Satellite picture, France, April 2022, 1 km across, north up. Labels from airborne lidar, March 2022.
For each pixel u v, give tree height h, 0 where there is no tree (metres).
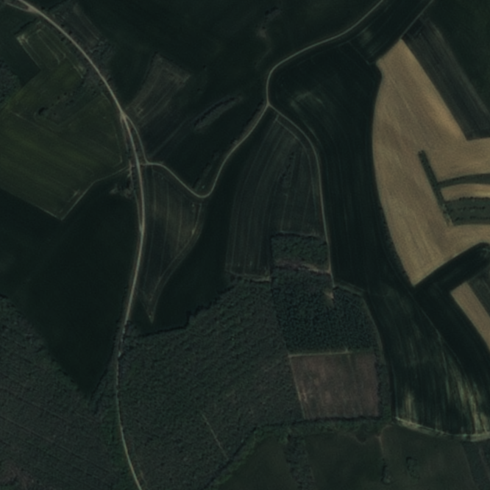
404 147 0
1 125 0
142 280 0
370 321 12
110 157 0
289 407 13
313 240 11
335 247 0
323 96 0
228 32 0
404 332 0
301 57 0
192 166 0
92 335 0
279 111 0
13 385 13
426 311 0
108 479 17
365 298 0
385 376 21
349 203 0
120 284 0
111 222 0
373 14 0
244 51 0
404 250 0
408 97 0
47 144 0
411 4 0
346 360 0
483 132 0
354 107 0
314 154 0
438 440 0
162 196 0
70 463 14
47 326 0
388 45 0
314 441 0
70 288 0
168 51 0
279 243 18
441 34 0
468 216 0
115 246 0
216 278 0
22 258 0
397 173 0
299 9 0
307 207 0
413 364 0
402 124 0
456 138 0
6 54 0
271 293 12
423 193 0
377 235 0
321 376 0
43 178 0
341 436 0
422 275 0
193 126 0
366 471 0
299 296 21
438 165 0
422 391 0
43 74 0
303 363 0
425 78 0
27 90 0
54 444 16
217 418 11
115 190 0
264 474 0
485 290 0
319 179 0
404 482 0
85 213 0
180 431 16
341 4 0
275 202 0
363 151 0
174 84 0
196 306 0
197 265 0
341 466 0
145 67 0
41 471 17
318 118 0
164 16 0
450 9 0
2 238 0
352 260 0
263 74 0
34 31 0
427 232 0
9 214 0
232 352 14
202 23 0
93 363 0
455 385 0
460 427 0
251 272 0
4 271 0
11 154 0
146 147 0
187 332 14
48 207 0
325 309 16
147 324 0
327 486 0
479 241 0
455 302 0
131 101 0
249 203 0
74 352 0
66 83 0
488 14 0
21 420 11
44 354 20
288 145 0
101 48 9
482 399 0
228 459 15
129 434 14
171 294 0
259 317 16
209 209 0
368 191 0
